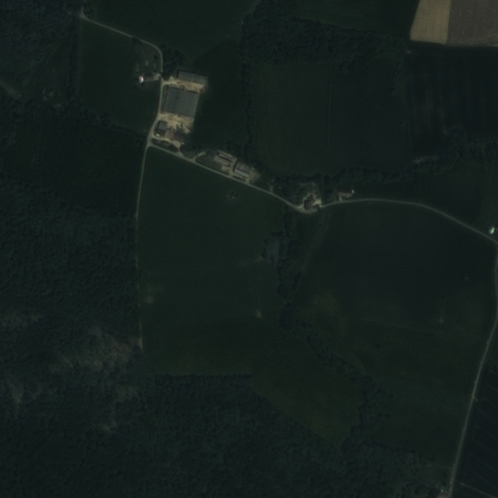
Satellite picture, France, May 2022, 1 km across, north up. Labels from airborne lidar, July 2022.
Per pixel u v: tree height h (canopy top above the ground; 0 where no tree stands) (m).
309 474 26
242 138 0
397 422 0
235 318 0
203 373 0
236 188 0
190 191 0
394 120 0
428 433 0
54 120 12
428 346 0
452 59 0
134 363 16
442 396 0
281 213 0
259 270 0
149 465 26
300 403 0
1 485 27
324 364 12
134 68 0
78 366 21
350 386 0
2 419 23
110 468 23
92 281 19
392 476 24
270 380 0
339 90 0
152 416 17
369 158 0
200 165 0
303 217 0
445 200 0
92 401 25
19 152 7
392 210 0
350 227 0
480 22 0
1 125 28
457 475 0
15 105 32
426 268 0
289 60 24
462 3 0
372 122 0
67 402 23
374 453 26
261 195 0
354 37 13
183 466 29
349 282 0
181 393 28
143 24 0
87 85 0
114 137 8
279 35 25
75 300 18
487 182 0
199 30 0
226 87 0
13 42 20
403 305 0
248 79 25
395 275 0
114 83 0
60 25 29
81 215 19
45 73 7
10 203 28
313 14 0
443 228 0
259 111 0
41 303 26
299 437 27
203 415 17
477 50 0
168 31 0
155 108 0
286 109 0
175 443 23
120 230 24
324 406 0
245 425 18
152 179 0
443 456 0
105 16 0
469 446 0
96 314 17
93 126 9
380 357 0
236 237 0
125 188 9
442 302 0
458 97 0
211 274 0
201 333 0
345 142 0
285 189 16
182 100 0
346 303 0
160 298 0
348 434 0
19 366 23
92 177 10
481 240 0
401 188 0
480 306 0
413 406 0
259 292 0
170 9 0
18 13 33
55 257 21
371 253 0
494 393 0
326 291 0
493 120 0
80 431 29
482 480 0
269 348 0
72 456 32
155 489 8
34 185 10
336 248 0
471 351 0
